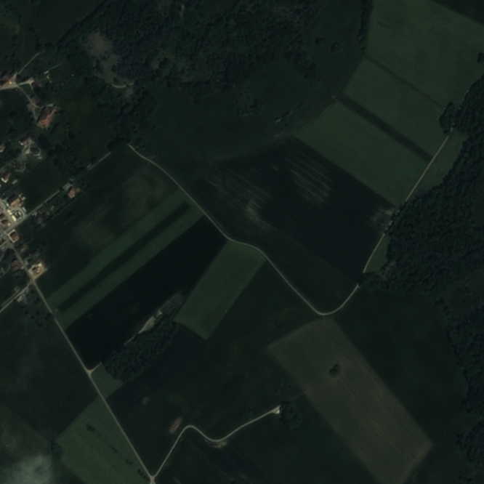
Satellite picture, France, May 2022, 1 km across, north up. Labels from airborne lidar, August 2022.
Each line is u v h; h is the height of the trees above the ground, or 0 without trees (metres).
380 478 0
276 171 0
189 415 0
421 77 0
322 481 0
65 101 0
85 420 0
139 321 0
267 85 0
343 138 0
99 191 0
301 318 0
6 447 0
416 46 0
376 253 0
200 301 0
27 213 0
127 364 11
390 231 6
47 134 0
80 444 0
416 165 0
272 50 21
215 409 0
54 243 0
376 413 0
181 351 0
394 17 0
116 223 0
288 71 0
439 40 0
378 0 0
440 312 0
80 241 0
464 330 19
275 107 0
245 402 0
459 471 0
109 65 0
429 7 0
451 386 0
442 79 0
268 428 0
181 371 0
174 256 0
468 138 0
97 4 0
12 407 0
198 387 0
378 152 0
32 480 0
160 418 0
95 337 0
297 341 0
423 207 12
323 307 0
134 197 0
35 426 0
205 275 0
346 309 0
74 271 0
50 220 7
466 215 17
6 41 0
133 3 25
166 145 0
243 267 0
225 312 0
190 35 16
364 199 0
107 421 0
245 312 0
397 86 0
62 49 18
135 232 0
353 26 0
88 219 0
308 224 0
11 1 0
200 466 0
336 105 0
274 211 0
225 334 0
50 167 0
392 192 0
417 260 19
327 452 0
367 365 0
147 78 17
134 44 12
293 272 0
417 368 0
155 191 0
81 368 0
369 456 0
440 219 18
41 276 0
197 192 0
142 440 0
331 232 0
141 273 0
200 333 0
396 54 0
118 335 0
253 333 0
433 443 0
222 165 0
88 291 0
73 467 0
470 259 24
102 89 18
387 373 0
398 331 0
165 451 0
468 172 25
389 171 0
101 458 0
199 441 0
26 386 0
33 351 0
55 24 0
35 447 0
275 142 0
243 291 0
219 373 0
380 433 0
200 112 0
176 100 0
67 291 0
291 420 23
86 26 12
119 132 15
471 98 13
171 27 18
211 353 0
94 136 0
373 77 0
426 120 0
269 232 0
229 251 0
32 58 0
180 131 0
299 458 0
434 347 0
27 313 12
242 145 0
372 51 0
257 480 0
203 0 8
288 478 0
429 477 0
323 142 0
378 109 0
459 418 0
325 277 0
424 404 0
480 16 0
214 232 0
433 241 15
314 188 0
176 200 0
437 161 0
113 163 0
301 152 0
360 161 0
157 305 0
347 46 0
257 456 0
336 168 0
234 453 0
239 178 0
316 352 0
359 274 0
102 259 0
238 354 0
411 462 0
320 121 0
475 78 0
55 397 0
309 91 0
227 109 0
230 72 25
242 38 22
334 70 0
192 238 0
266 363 0
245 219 0
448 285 24
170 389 0
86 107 0
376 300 0
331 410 0
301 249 0
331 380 0
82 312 0
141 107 16
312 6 9
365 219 0
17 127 0
